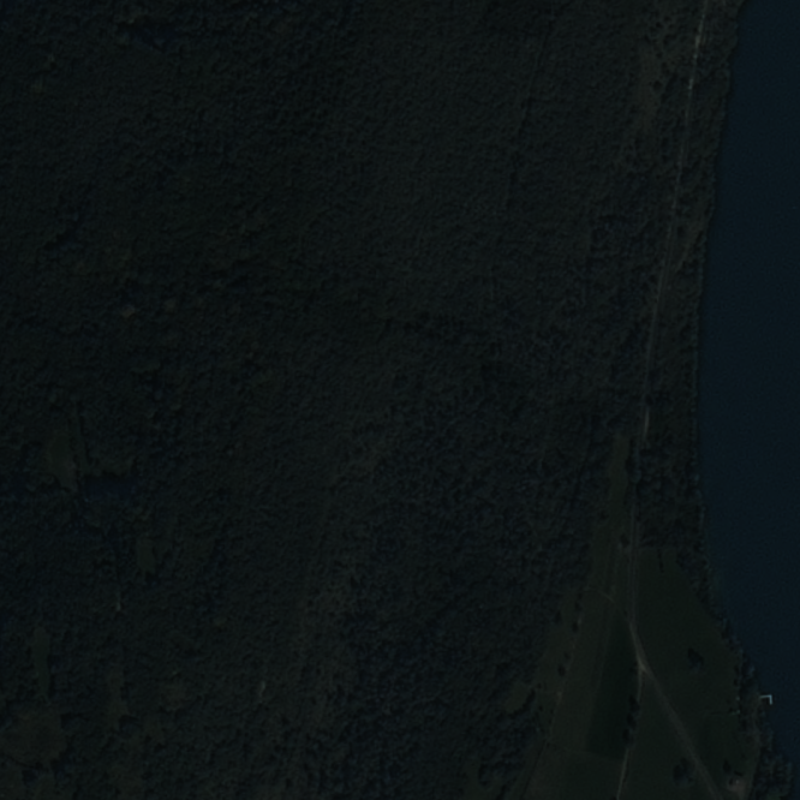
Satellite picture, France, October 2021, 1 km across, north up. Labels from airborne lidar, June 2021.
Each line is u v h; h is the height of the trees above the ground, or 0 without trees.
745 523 0
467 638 17
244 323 16
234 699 10
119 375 18
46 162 16
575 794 0
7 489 18
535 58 9
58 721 0
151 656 13
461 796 14
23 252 21
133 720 7
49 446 11
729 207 0
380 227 10
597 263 10
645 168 12
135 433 11
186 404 17
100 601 14
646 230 7
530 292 14
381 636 11
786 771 13
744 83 0
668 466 16
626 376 13
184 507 13
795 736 0
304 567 13
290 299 21
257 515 8
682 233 12
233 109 7
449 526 13
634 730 12
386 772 17
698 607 0
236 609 12
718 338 0
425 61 9
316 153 14
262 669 10
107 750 11
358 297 19
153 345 20
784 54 0
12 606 17
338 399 14
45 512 18
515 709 0
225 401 13
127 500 20
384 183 8
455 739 17
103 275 20
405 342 10
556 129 12
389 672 20
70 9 21
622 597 0
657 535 5
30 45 20
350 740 9
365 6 16
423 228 8
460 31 9
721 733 0
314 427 14
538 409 12
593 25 11
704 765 0
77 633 10
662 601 0
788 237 0
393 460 6
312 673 9
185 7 16
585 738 0
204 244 24
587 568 19
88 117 12
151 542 13
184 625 11
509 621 21
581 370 13
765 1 0
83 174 10
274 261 25
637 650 0
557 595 13
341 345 9
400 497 15
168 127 10
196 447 11
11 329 22
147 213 21
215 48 18
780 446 0
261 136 10
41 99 19
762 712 9
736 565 0
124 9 16
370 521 9
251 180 19
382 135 7
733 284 0
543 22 7
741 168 0
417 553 13
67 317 15
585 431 7
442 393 8
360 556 8
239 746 12
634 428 18
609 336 15
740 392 0
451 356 15
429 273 11
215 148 14
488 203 9
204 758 8
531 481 18
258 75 6
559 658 0
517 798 0
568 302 6
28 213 22
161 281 24
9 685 18
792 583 0
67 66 19
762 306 0
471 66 5
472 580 19
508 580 12
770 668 0
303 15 9
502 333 12
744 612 0
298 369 13
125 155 18
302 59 14
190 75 20
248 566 12
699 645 0
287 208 21
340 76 8
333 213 13
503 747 12
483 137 8
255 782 9
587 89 13
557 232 9
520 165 11
